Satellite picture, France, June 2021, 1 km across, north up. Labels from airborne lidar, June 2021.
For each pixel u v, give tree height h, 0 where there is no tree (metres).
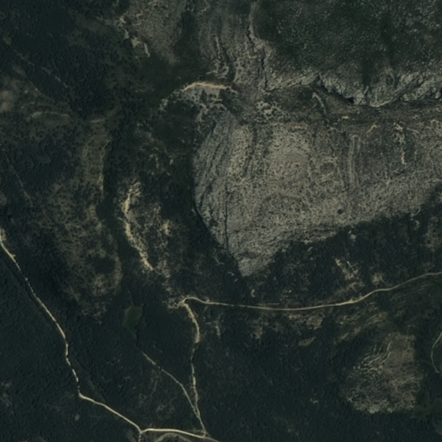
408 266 7
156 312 11
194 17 0
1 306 7
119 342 11
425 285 0
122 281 9
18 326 6
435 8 0
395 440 10
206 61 0
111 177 6
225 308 9
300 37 0
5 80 0
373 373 0
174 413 6
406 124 0
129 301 7
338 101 0
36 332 7
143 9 0
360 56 0
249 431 7
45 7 9
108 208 7
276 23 0
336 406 8
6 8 10
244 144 0
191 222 8
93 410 6
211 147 0
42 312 9
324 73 0
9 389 9
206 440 0
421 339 7
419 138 0
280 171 0
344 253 7
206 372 7
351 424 11
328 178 0
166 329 9
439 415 10
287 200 0
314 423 8
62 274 7
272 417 6
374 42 0
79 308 7
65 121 0
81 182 6
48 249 8
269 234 0
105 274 6
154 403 7
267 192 0
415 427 14
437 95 21
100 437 6
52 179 7
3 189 8
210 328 6
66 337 6
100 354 8
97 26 0
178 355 11
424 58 0
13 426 10
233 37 0
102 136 0
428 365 7
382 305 7
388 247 11
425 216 8
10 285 14
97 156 0
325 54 0
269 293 6
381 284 7
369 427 9
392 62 0
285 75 0
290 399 9
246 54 0
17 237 7
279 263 8
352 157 0
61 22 9
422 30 0
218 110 0
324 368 8
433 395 10
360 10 0
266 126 0
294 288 7
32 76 8
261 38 0
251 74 0
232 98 0
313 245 6
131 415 8
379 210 0
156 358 7
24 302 12
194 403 6
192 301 7
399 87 0
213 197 0
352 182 0
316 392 11
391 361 0
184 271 8
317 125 0
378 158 0
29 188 8
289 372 10
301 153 0
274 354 11
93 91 7
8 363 6
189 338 6
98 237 6
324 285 9
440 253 7
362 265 6
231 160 0
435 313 8
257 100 0
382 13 0
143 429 7
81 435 8
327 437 9
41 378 6
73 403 5
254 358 16
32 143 6
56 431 8
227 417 11
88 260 6
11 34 6
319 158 0
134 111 9
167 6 0
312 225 0
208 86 0
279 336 7
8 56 9
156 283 6
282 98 0
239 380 7
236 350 10
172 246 6
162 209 6
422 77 0
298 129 0
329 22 0
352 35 0
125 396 7
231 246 0
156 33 0
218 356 7
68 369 10
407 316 9
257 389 7
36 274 9
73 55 7
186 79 0
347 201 0
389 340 0
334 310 8
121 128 9
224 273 11
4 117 6
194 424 6
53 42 9
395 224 8
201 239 10
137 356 10
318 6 0
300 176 0
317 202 0
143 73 0
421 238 7
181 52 0
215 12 0
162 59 0
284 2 0
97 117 0
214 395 8
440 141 0
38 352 7
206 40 0
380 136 0
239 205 0
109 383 8
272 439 9
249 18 0
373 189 0
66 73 10
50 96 8
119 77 0
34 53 6
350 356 10
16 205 7
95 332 9
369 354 0
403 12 0
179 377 6
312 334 8
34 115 0
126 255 7
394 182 0
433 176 0
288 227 0
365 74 0
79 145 6
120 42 6
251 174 0
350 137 0
